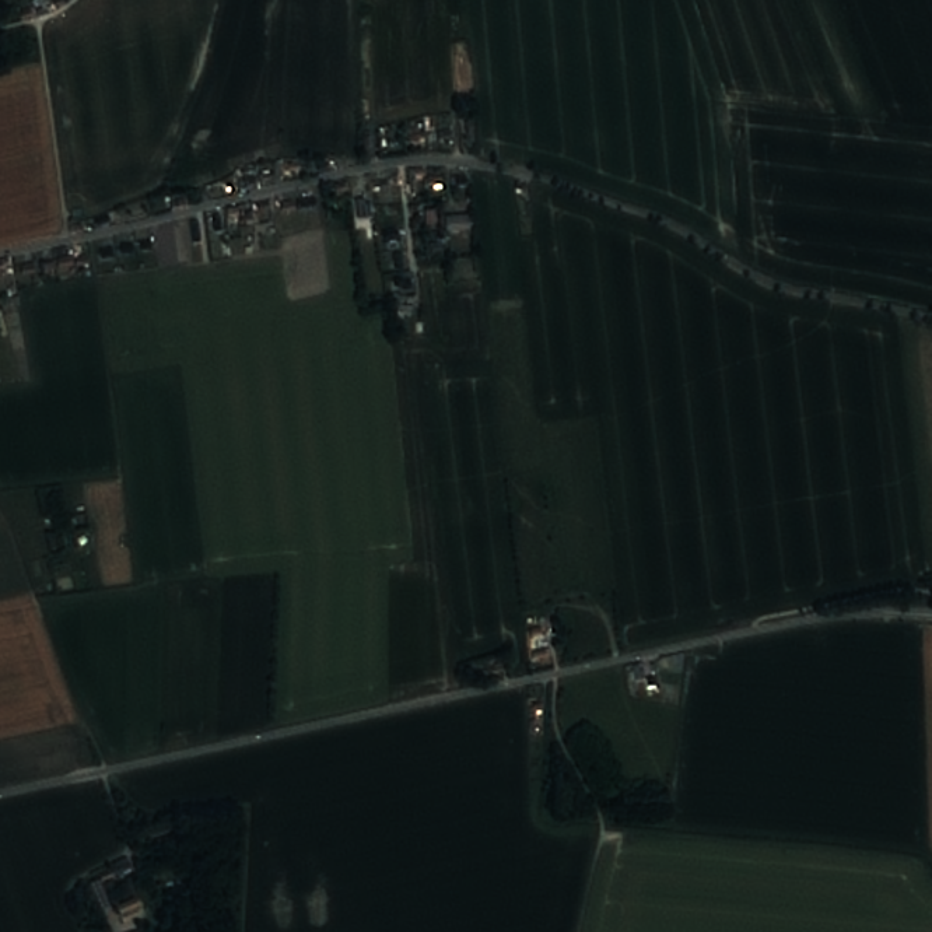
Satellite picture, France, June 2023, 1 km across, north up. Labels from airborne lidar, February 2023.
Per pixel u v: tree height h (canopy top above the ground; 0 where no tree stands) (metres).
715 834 0
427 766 0
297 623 0
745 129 0
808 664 0
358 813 0
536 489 0
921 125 0
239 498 0
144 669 0
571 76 0
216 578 0
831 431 0
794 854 0
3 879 0
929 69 0
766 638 0
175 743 0
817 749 0
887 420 0
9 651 0
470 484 0
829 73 0
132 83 0
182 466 0
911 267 0
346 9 0
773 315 0
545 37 0
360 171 0
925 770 0
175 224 0
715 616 0
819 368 0
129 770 0
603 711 0
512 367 0
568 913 0
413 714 0
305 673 0
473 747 0
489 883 0
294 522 0
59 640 0
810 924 0
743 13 0
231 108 0
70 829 0
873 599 18
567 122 0
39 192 0
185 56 0
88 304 0
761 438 0
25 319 0
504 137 0
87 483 0
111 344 0
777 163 0
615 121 0
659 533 0
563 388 0
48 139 0
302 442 0
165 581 0
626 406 0
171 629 0
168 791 0
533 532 0
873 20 0
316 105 0
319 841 0
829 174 0
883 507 0
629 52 0
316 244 0
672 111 0
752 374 0
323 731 0
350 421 0
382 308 11
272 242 0
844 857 0
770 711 0
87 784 0
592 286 0
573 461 0
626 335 0
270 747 0
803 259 0
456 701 0
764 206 0
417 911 0
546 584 0
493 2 0
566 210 0
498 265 0
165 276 0
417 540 0
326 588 0
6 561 0
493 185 0
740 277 0
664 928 0
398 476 0
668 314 0
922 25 0
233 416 0
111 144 0
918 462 0
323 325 0
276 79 0
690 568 0
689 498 0
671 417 0
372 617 0
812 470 0
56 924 0
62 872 0
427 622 0
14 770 0
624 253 0
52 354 0
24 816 0
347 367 0
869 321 0
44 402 0
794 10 0
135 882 13
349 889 0
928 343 0
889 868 0
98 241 0
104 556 0
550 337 0
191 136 0
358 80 0
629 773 0
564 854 0
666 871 0
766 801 0
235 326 0
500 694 0
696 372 0
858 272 0
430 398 0
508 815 0
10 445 0
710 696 0
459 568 0
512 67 0
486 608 0
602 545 0
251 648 0
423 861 0
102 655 0
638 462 0
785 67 0
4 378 0
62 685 0
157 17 0
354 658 0
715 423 0
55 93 0
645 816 8
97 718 0
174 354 0
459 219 0
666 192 0
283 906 0
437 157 0
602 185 0
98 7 0
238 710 0
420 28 0
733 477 0
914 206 0
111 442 0
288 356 0
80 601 0
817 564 0
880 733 0
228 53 0
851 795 0
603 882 0
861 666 0
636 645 0
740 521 0
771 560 0
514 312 0
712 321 0
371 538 0
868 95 0
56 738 0
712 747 0
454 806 0
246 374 0
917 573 0
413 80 0
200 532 0
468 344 0
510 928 0
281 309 0
